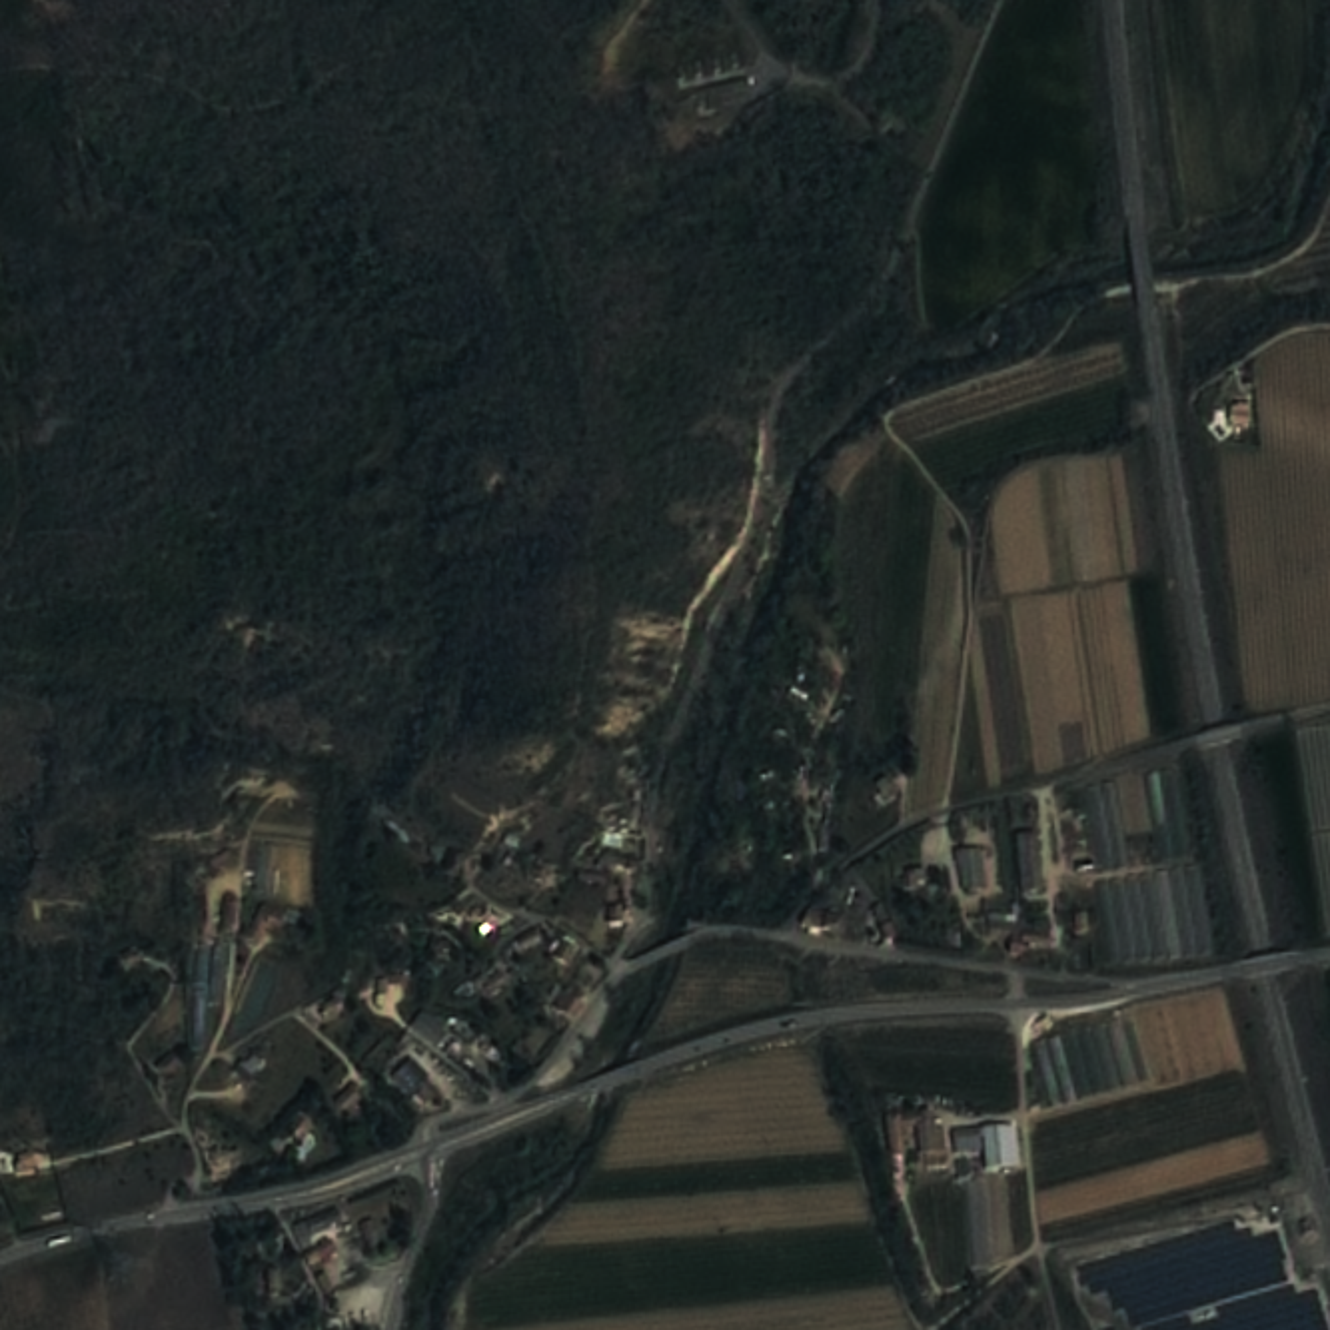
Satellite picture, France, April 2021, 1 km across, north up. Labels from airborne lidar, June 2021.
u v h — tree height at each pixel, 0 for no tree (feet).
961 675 0
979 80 0
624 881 28
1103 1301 0
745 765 34
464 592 32
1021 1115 0
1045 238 0
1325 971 0
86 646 34
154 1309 0
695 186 59
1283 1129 0
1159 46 0
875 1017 0
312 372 68
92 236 20
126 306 66
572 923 0
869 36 0
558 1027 27
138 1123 0
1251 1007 0
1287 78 0
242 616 18
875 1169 45
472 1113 0
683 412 31
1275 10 0
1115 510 0
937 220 0
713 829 31
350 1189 0
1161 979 0
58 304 34
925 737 0
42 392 34
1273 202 27
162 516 38
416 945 33
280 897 0
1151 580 0
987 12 70
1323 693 0
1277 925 0
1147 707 0
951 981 0
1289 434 0
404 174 47
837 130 71
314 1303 31
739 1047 0
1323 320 23
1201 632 0
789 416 34
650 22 52
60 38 52
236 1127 21
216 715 37
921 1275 40
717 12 40
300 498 46
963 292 0
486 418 28
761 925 45
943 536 0
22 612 45
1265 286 0
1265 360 0
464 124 26
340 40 44
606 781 27
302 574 40
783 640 41
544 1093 0
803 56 35
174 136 32
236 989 0
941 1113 0
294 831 0
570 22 54
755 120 20
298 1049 0
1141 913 0
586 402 37
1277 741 0
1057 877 0
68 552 22
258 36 33
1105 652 0
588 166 43
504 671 30
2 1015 45
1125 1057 0
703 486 31
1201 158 0
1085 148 0
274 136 74
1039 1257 0
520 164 50
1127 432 19
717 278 44
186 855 29
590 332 29
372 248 66
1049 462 0
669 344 34
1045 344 39
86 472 24
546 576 35
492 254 50
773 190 66
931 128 29
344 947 45
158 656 30
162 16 53
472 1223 39
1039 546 0
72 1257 0
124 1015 36
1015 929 0
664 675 21
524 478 27
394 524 45
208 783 32
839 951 0
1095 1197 0
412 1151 0
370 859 24
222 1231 54
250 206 46
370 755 33
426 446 26
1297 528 0
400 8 47
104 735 18
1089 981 0
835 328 61
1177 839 0
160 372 53
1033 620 0
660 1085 0
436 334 33
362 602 30
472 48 50
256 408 50
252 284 83
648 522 30
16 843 22
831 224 61
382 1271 0
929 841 0
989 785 0
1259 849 0
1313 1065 0
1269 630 0
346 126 57
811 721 60
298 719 29
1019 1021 0
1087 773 0
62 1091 29
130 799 24
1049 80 0
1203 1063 0
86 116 57
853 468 0
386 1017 0
